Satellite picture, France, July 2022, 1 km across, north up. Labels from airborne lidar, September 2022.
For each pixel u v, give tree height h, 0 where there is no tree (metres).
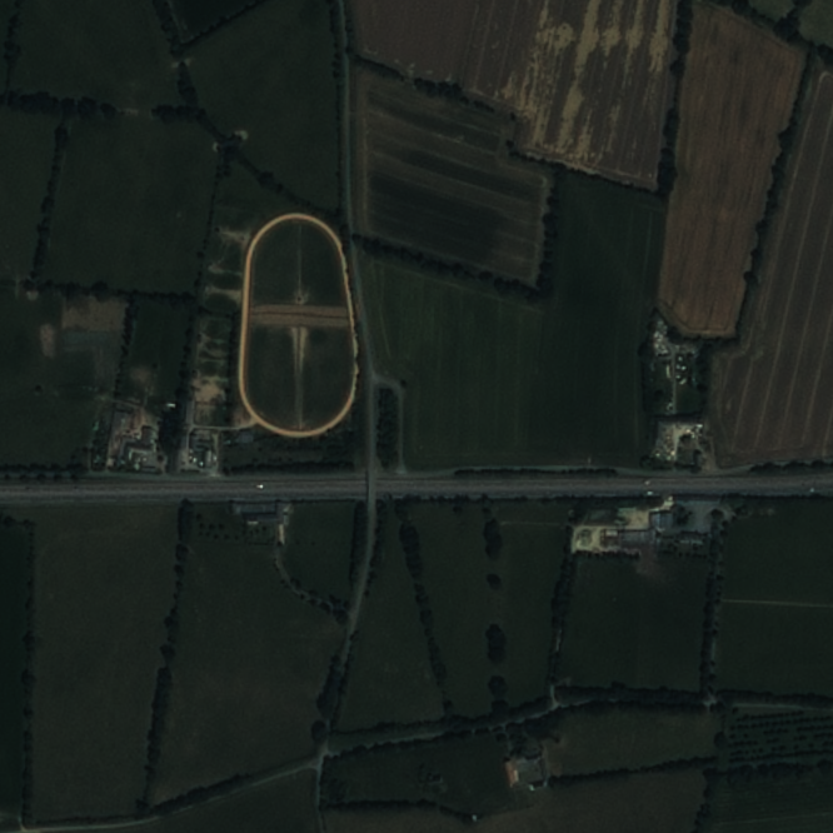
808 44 6
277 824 0
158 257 0
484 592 0
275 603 0
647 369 11
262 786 0
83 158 0
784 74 0
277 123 0
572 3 0
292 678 0
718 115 0
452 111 0
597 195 0
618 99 0
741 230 0
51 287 11
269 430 0
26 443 0
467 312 0
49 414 0
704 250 0
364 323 0
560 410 0
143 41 0
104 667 0
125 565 0
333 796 8
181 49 12
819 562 0
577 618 0
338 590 0
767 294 0
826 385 0
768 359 0
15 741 0
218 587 0
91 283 0
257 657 0
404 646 0
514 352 0
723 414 0
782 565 0
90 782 0
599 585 0
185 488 0
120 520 0
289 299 0
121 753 0
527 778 0
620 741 0
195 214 0
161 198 0
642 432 0
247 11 11
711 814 14
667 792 0
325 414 0
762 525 0
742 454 0
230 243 0
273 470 10
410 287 0
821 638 0
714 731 0
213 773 0
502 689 18
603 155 0
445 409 0
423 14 0
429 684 0
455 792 0
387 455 10
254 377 0
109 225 0
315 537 0
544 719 9
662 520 0
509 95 0
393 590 0
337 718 6
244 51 0
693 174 0
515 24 0
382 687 0
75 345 0
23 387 0
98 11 0
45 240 12
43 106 19
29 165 0
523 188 0
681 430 0
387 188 0
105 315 0
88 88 0
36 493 0
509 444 0
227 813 0
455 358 0
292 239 0
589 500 9
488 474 10
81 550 0
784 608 0
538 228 0
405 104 0
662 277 0
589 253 0
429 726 8
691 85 0
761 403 0
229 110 0
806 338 0
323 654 0
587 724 0
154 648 0
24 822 8
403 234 0
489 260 0
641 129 0
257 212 0
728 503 11
